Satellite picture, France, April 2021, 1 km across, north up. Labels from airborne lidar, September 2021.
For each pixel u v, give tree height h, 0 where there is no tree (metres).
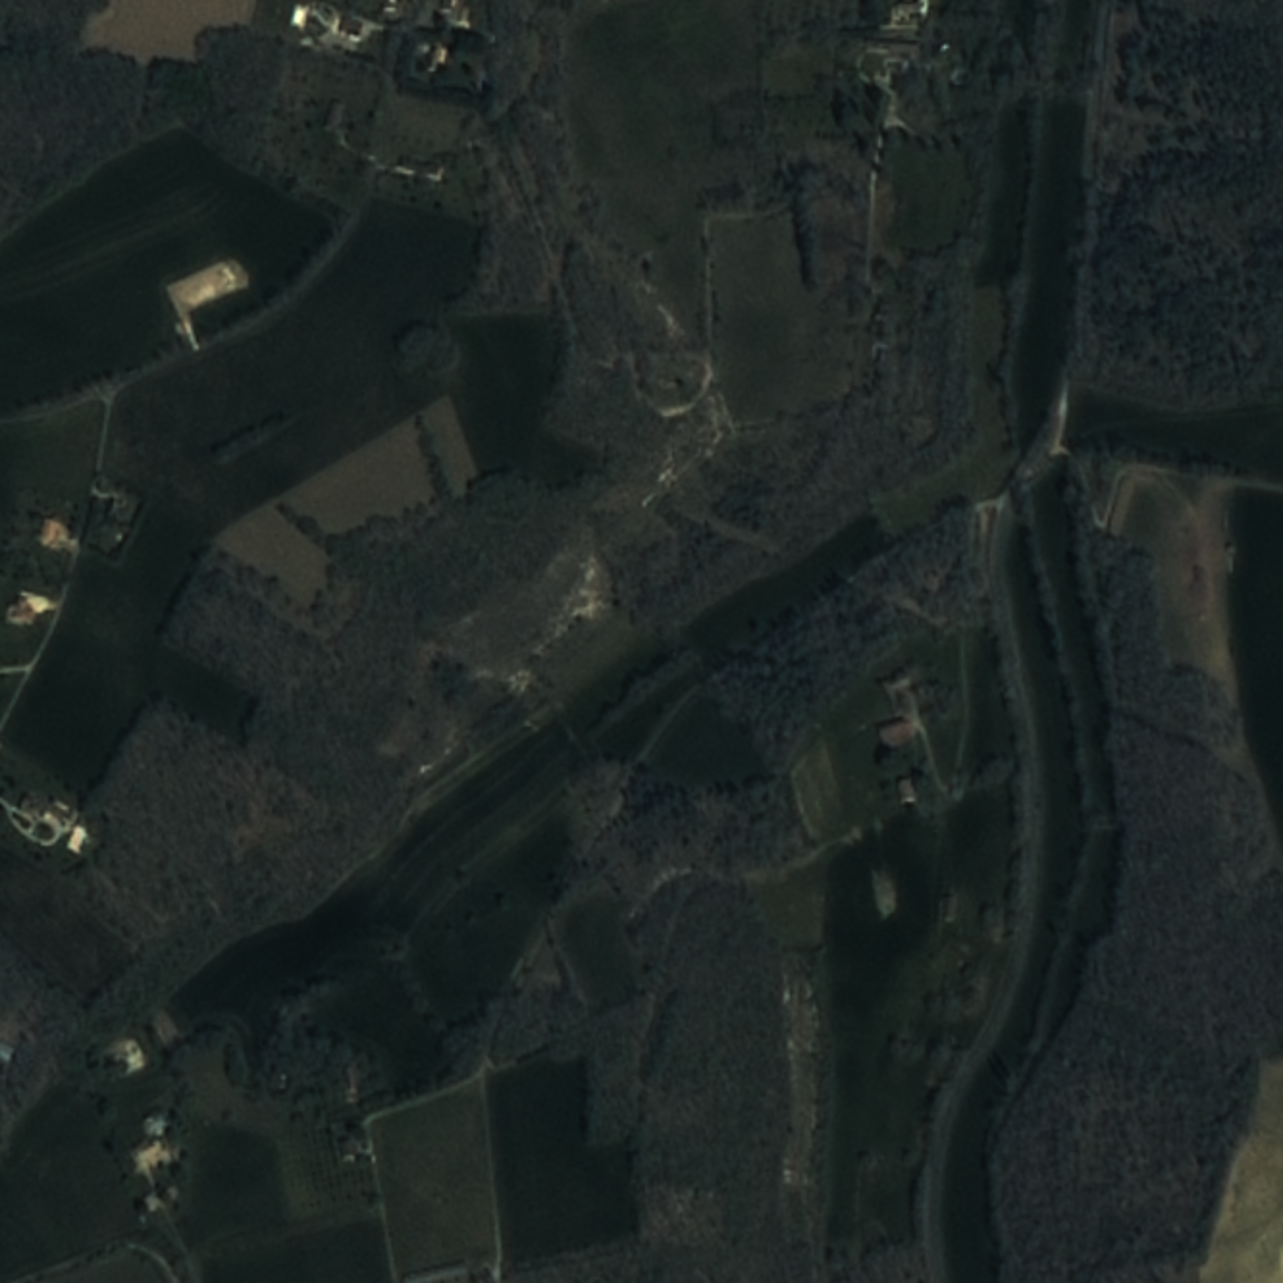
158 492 0
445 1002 0
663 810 16
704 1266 13
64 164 12
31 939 0
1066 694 9
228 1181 0
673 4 0
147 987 15
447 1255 0
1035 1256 6
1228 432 0
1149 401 15
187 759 11
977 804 0
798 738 13
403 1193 0
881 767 12
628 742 0
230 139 15
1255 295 14
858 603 12
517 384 0
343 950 0
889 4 14
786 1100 9
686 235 0
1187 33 14
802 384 0
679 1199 11
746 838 11
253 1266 0
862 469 19
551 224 13
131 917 14
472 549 8
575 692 0
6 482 0
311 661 15
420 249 0
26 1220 0
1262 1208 0
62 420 0
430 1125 0
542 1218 0
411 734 0
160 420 0
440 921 0
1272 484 0
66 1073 19
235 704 0
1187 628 0
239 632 16
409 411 0
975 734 0
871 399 16
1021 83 27
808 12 7
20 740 0
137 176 0
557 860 0
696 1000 12
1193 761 18
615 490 12
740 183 0
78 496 0
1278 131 21
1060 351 0
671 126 0
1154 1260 11
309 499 0
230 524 0
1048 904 0
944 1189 0
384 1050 0
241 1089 7
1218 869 17
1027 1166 7
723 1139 12
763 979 11
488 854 0
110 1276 0
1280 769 0
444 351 16
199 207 0
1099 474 10
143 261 0
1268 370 18
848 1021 0
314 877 12
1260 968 16
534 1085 0
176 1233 0
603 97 0
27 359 0
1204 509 0
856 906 0
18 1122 16
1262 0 23
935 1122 14
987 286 0
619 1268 11
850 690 10
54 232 0
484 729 6
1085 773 17
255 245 0
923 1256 12
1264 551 0
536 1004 9
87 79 17
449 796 0
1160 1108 7
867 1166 13
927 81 18
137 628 0
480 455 0
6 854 0
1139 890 19
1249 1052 19
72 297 0
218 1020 0
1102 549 16
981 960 0
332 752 20
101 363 0
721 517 9
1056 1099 10
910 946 0
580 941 0
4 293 0
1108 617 16
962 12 10
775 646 13
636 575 11
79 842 0
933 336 7
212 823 14
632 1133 13
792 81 0
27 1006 21
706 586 15
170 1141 9
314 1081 11
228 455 10
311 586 0
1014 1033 0
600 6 0
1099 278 15
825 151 0
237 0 0
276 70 12
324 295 0
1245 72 21
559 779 0
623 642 0
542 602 0
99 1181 0
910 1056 11
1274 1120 0
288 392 0
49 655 0
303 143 6
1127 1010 10
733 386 0
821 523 18
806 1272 16
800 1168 0
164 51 0
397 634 12
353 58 7
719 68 0
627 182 0
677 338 0
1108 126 12
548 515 13
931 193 0
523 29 12
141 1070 0
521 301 12
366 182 14
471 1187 0
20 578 7
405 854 0
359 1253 0
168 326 0
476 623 0
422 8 14
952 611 14
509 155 13
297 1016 12
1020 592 0
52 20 16
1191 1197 11
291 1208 0
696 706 0
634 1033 12
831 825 0
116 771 13
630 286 0
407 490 0
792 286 0
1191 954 16
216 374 0
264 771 13
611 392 15
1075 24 0
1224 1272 0
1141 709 13
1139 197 9
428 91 10
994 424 0
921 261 15
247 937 14
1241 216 11
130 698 0
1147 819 16
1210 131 9
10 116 15
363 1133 8
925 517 0
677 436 8
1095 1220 7
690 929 7
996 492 0
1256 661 0
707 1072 13
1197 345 14
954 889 0
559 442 0
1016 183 0
